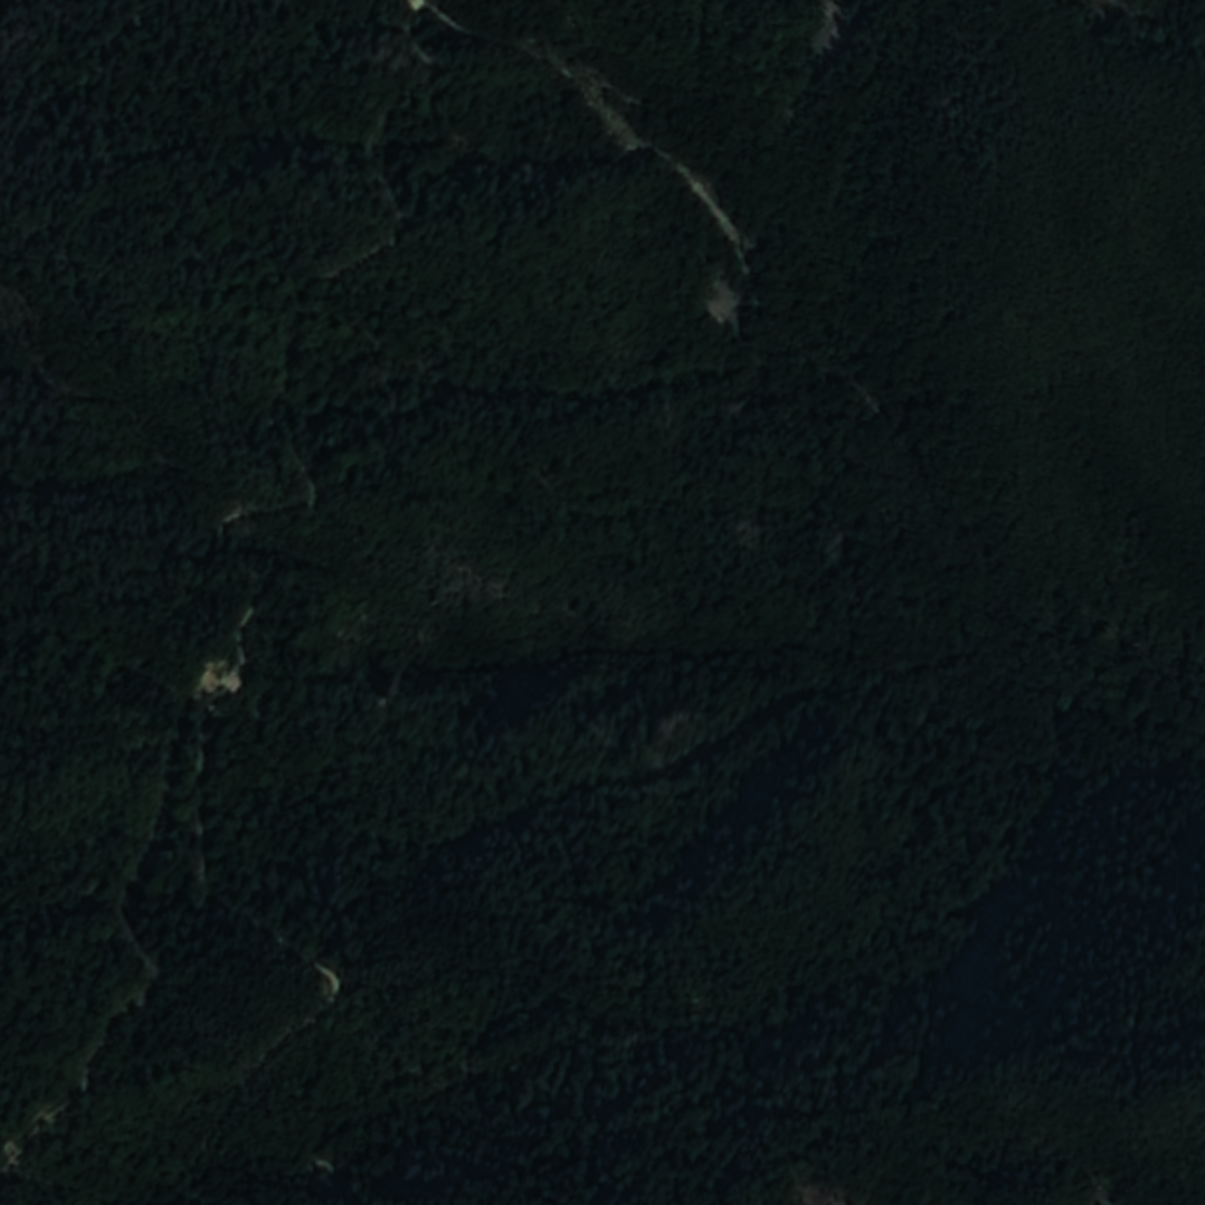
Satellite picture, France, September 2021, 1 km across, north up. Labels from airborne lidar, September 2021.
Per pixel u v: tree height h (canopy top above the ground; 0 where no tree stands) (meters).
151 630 26
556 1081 23
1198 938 23
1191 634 25
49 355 12
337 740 29
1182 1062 34
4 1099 21
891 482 24
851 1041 37
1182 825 33
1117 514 26
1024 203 15
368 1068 19
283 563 15
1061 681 25
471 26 19
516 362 25
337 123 17
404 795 25
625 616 16
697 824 33
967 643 26
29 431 34
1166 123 17
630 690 19
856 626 27
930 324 26
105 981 23
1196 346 23
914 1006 39
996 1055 32
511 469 31
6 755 19
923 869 24
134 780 23
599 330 23
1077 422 24
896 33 24
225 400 14
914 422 31
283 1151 13
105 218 14
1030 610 26
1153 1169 26
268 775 20
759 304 23
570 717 18
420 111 26
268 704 23
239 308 15
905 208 22
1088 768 31
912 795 29
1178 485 18
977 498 29
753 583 29
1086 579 25
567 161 20
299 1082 19
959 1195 27
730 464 31
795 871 23
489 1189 20
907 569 24
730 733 23
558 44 16
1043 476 19
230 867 27
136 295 16
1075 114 22
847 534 30
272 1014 12
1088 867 26
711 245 26
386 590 21
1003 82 18
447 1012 28
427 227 26
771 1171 24
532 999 31
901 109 24
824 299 19
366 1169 25
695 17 27
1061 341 20
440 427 28
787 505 27
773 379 20
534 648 30
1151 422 17
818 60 15
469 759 21
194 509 15
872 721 31
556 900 26
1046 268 19
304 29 19
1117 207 18
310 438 13
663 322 27
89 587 22
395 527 17
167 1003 12
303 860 26
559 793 30
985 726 29
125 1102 20
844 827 24
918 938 29
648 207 19
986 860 36
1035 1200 25
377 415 21
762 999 15
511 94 22
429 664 22
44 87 17
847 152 20
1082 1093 25
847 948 28
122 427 16
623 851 24
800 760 31
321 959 11
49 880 28
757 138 22
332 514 15
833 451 28
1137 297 21
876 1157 28
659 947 29
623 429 20
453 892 18
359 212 21
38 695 20
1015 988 26
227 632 15
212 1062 17
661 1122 21
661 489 20
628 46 18
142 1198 16
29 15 35
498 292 25
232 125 18
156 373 14
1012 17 15
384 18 34
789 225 18
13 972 25
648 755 9
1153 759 32
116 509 24
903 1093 28
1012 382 19
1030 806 34
